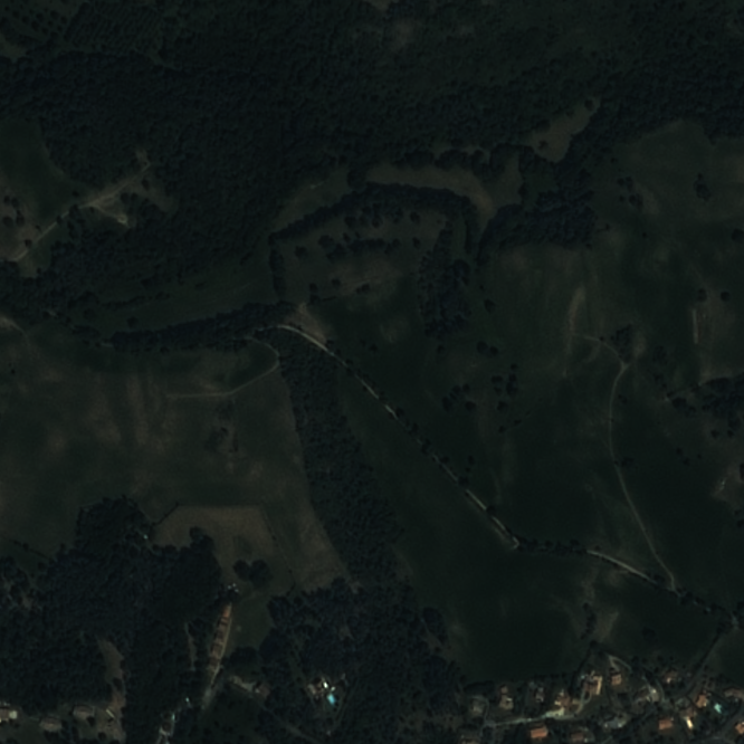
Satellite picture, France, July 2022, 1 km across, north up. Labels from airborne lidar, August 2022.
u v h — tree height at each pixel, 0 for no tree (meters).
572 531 0
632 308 0
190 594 24
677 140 0
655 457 0
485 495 0
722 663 0
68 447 0
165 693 14
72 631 15
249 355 0
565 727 9
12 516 0
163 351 16
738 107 25
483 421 0
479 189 0
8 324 0
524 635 0
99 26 16
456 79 6
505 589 0
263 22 16
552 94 14
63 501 0
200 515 0
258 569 25
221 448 0
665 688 8
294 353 9
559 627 0
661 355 8
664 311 0
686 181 0
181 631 24
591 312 0
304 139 28
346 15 13
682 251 0
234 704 8
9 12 7
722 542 0
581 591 0
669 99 17
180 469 0
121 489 0
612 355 0
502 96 16
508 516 0
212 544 13
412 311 0
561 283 0
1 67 26
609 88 19
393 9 11
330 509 7
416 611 12
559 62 12
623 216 0
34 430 0
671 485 0
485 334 0
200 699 9
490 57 9
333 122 9
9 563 14
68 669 26
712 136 13
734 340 0
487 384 0
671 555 0
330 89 17
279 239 15
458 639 0
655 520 0
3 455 0
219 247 15
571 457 0
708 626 0
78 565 24
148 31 13
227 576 0
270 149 30
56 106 20
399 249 11
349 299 0
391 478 0
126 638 18
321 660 21
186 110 20
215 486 0
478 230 20
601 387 0
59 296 23
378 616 6
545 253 0
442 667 21
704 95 24
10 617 6
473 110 14
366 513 6
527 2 10
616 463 6
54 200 0
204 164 12
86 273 23
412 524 0
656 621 0
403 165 14
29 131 0
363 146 27
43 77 12
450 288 20
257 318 15
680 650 0
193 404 0
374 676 11
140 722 13
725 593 0
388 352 0
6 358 0
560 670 0
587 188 12
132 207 7
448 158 18
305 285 0
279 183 19
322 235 0
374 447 0
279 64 28
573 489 0
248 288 0
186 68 15
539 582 0
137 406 0
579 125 0
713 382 11
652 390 0
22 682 17
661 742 12
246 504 0
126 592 22
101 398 0
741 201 0
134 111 23
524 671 0
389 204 20
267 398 0
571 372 0
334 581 0
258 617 0
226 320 13
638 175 0
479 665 0
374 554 9
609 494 0
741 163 0
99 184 17
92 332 13
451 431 0
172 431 0
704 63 9
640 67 6
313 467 5
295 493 0
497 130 15
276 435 0
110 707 0
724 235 0
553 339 0
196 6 18
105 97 27
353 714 8
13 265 12
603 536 0
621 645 0
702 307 0
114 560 10
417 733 6
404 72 6
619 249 0
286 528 0
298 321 0
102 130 20
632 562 0
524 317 0
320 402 9
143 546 10
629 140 10
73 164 17
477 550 0
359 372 8
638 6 9
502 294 0
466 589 0
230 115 19
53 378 0
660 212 0
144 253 8
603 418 0
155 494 0
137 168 14
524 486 0
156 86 27
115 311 10
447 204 24
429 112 19
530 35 8
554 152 0
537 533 0
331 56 15
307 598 18
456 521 0
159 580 21
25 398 0
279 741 13
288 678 24
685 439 0
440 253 12
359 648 14
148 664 19
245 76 21
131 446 0
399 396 0
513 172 0
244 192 14
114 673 0
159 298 7
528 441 0
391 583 7
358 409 0
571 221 16
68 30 10
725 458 0
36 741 0
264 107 25
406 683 7
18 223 11
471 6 9
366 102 13
